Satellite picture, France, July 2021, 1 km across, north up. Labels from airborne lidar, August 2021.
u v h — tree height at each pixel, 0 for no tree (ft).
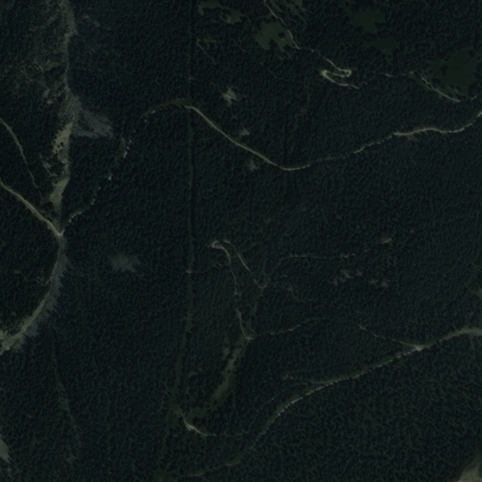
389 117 70
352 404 35
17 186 76
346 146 74
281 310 82
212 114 57
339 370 68
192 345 44
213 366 59
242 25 70
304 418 52
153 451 43
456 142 73
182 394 43
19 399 68
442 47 42
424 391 69
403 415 39
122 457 68
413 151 87
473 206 60
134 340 59
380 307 45
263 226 42
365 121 68
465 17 40
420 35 83
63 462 41
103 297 64
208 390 61
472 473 0
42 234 41
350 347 82
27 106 53
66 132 0
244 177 54
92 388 34
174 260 68
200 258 60
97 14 45
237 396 28
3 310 57
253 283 60
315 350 37
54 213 63
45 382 57
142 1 60
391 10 46
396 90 50
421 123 60
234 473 81
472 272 59
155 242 52
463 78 0
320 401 42
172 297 69
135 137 44
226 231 58
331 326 62
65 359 61
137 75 43
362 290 48
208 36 78
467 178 79
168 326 73
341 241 45
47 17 25
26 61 36
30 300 58
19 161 47
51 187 64
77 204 38
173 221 69
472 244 63
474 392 66
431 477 64
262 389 47
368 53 53
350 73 0
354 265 53
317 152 75
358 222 56
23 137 51
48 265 50
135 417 37
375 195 92
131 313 60
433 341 0
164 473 0
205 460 41
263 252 23
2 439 0
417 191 51
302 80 65
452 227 68
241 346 25
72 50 46
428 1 67
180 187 75
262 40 0
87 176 76
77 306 67
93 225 74
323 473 55
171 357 44
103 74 35
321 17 64
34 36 29
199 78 61
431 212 77
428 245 59
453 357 48
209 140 21
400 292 32
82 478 72
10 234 68
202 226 79
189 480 61
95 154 67
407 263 51
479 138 58
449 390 58
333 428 55
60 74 42
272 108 82
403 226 64
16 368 47
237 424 64
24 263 60
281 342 28
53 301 0
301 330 32
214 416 43
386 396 64
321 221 26
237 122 48
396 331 32
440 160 60
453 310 50
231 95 0
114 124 49
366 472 77
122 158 0
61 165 64
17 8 35
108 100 46
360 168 68
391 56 27
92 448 33
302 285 44
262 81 61
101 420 58
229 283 40
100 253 72
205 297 44
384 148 66
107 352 50
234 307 62
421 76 73
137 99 56
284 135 73
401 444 69
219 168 58
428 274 65
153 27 71
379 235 66
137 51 54
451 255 75
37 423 64
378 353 77
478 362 59
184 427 63
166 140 61
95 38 44
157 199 80
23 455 18
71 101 0
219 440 44
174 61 72
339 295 57
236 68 77
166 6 57
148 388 55
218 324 71
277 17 25
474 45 22
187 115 76
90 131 26
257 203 53
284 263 37
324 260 42
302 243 67
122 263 0
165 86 72
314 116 83
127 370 28
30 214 63
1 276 56
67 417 20
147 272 72
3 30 41
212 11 62
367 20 0
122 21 78
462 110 46
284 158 27
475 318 47
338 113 64
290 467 35
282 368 38
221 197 73
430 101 47
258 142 70
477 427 66
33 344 60
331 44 65
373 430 40
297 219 76
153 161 77
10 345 0
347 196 65
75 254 41
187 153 70
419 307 49
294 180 27
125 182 63
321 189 78
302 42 33
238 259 37
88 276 29
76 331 45
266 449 38
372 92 54
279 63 77
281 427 44
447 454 56
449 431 67
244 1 65
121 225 47
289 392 29
